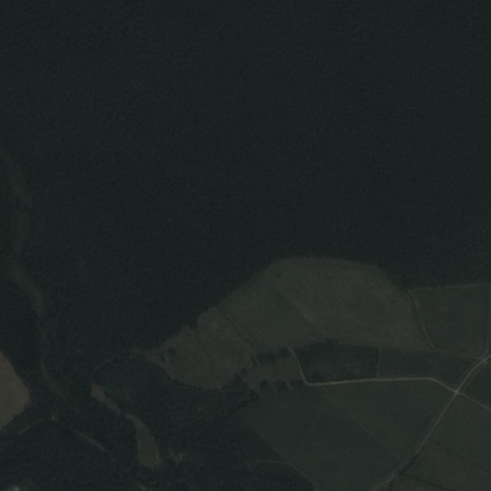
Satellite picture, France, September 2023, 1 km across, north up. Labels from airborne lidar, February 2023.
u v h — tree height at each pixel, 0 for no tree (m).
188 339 0
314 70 21
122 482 22
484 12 20
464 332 0
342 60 20
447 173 22
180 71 20
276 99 22
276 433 0
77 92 20
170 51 17
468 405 0
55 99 21
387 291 0
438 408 0
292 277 0
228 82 22
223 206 20
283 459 0
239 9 24
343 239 23
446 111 21
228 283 19
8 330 9
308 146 19
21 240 0
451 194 21
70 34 24
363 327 0
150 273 22
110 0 20
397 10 25
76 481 8
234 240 20
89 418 18
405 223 23
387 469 0
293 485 11
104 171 19
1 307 11
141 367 7
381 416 0
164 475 25
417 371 0
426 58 24
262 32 23
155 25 19
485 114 22
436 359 0
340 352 0
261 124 21
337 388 0
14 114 19
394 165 21
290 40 21
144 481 9
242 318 0
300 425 0
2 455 21
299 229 21
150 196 21
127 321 21
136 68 22
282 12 24
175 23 18
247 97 23
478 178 21
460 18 26
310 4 21
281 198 20
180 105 20
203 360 0
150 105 21
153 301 26
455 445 0
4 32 21
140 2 15
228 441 19
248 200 19
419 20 25
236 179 21
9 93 17
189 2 23
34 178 19
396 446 0
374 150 20
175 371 0
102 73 25
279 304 0
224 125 22
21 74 23
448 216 22
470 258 21
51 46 24
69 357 16
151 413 9
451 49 26
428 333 0
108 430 20
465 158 23
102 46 21
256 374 0
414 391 0
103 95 21
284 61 19
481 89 21
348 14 22
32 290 0
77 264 17
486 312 0
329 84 17
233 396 10
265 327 0
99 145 20
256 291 0
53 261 17
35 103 20
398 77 23
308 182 21
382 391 0
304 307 0
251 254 19
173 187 18
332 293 0
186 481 14
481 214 14
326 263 0
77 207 16
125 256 21
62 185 19
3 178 19
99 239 19
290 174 22
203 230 17
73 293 22
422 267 16
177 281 22
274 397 0
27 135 21
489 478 0
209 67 24
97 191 23
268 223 17
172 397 11
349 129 19
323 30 19
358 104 18
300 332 0
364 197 19
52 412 9
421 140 21
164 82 21
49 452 16
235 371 0
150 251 23
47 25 26
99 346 9
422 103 24
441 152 22
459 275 13
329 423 0
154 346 17
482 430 0
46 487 19
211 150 21
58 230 19
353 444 0
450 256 21
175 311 22
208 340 0
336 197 18
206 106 22
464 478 0
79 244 19
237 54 24
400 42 25
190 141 23
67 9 21
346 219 19
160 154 22
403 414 0
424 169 21
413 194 23
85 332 19
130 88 14
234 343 0
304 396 0
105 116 21
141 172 18
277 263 0
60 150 18
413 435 0
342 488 0
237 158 21
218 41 22
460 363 0
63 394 0
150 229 23
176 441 6
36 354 20
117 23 24
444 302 0
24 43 23
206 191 20
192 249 21
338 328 0
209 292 20
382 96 18
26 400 0
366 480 0
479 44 20
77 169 22
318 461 0
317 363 0
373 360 0
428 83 24
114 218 22
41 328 23
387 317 0
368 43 25
